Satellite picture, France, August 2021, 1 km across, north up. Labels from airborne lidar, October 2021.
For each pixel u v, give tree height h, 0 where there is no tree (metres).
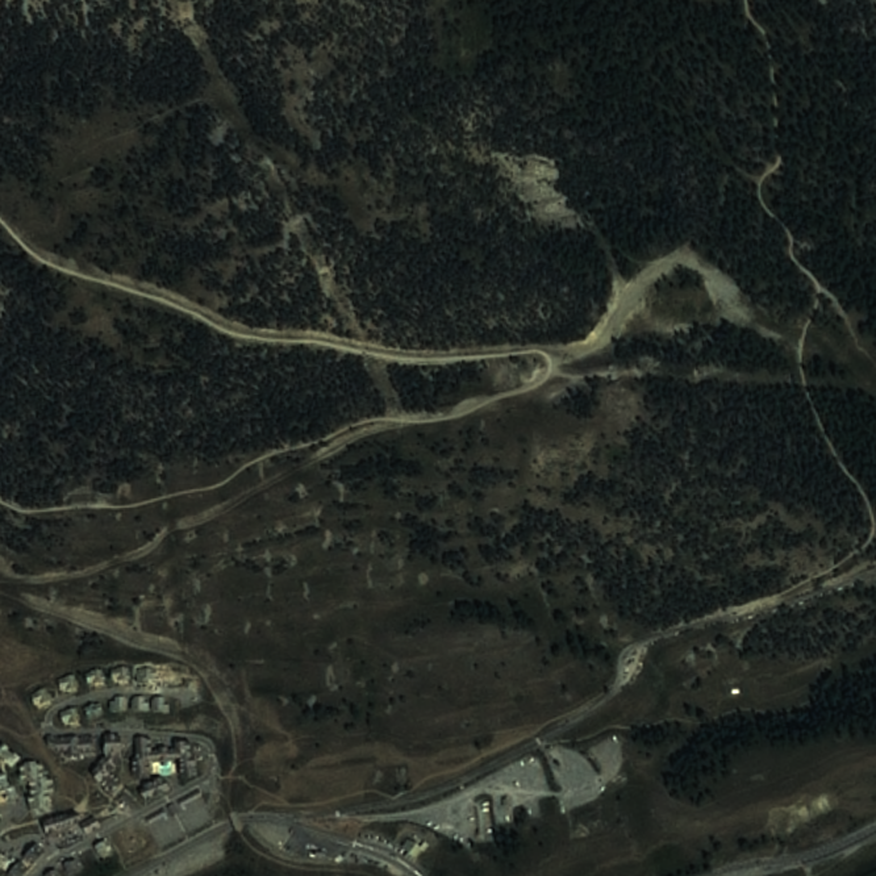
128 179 8
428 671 0
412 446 0
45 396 10
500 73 11
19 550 7
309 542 0
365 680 0
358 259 9
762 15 20
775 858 0
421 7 8
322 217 7
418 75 9
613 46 11
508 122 9
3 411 11
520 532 9
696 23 20
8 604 0
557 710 0
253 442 6
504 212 8
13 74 12
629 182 11
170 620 0
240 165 6
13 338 11
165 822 0
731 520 10
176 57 9
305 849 0
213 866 0
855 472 16
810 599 0
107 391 12
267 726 0
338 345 0
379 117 8
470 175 10
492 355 0
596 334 0
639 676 0
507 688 0
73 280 8
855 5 11
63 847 0
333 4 7
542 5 10
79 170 0
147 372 9
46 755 0
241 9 8
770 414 12
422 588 0
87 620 0
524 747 0
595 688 0
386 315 10
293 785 0
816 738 12
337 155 7
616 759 0
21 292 10
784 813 0
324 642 0
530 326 8
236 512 0
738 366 16
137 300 0
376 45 8
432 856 0
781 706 0
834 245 14
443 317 10
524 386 0
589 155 12
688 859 0
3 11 11
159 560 0
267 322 8
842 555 8
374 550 0
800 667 0
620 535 9
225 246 8
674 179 8
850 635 10
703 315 0
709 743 12
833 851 0
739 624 0
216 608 0
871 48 16
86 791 0
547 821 0
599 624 0
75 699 0
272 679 0
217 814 0
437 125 10
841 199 15
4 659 0
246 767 0
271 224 8
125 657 0
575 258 13
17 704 0
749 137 11
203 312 0
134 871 0
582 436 0
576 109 9
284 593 0
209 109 9
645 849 0
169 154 9
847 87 10
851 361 0
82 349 12
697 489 9
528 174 0
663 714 0
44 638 0
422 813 0
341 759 0
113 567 0
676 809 0
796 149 17
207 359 11
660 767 0
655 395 7
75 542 0
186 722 0
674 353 9
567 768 0
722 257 12
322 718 8
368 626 0
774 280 14
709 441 6
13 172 7
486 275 9
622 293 0
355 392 11
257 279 11
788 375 0
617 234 16
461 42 0
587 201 9
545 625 0
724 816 0
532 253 6
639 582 11
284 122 6
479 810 0
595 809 0
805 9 24
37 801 0
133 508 0
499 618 15
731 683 0
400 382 10
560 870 0
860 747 0
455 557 14
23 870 0
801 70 15
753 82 17
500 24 14
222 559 0
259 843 0
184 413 8
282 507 0
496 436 0
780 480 11
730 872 0
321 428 10
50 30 10
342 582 0
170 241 7
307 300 12
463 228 7
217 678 0
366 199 0
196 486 0
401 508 0
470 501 0
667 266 0
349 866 0
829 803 0
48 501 9
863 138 18
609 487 10
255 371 11
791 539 11
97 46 10
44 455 14
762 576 11
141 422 9
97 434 12
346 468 10
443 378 9
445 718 0
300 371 11
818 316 16
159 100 6
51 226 0
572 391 8
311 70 0
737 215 13
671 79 24
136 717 0
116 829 0
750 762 0
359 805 0
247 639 0
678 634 0
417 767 0
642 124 16
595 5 19
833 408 20
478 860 0
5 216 0
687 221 16
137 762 0
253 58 10
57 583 0
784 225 11
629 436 7
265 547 0
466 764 0
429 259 9
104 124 0
